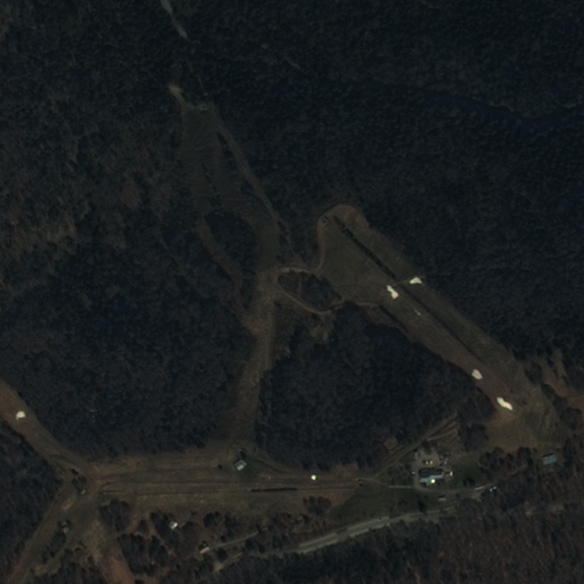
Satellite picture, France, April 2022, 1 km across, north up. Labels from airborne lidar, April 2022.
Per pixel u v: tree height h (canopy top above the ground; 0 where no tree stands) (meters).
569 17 14
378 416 26
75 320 23
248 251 19
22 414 0
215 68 29
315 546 0
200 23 30
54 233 33
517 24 23
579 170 34
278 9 25
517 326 20
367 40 19
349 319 19
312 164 21
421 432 15
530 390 0
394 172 26
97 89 22
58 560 0
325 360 23
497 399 0
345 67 32
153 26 25
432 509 0
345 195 13
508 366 0
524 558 23
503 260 29
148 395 26
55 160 26
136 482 0
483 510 19
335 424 24
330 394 27
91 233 31
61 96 22
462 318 0
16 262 22
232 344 23
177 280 29
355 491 0
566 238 29
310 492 0
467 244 28
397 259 0
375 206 28
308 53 22
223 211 14
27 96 29
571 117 26
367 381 28
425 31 22
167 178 6
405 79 21
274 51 27
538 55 32
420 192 25
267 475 0
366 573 23
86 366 27
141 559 14
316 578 16
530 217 27
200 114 0
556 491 18
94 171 27
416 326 0
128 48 27
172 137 29
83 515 0
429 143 26
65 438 14
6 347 28
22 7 23
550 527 22
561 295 23
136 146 21
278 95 28
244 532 0
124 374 28
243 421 0
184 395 28
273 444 17
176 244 24
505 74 24
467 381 20
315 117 29
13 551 14
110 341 28
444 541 22
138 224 22
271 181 24
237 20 29
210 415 20
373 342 20
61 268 20
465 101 29
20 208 26
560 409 14
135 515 0
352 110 30
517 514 15
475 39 24
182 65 18
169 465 0
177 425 17
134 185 17
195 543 13
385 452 19
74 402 23
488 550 20
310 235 20
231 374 20
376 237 0
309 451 24
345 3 24
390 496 0
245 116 26
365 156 26
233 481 0
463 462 0
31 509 14
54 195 21
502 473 11
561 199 28
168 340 31
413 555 14
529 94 31
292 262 0
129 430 20
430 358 21
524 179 29
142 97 26
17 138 28
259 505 0
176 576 16
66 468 0
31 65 25
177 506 0
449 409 15
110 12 27
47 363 28
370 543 15
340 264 0
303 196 19
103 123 26
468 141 31
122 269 21
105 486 0
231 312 15
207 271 25
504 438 0
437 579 16
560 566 25
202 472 0
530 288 26
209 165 0
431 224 26
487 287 25
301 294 0
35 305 28
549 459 0
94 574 15
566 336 9
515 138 37
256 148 28
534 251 31
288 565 16
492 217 28
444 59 35
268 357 0
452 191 27
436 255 25
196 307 25
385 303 0
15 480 16
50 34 24
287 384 27
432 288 9
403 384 7
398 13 25
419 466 0
